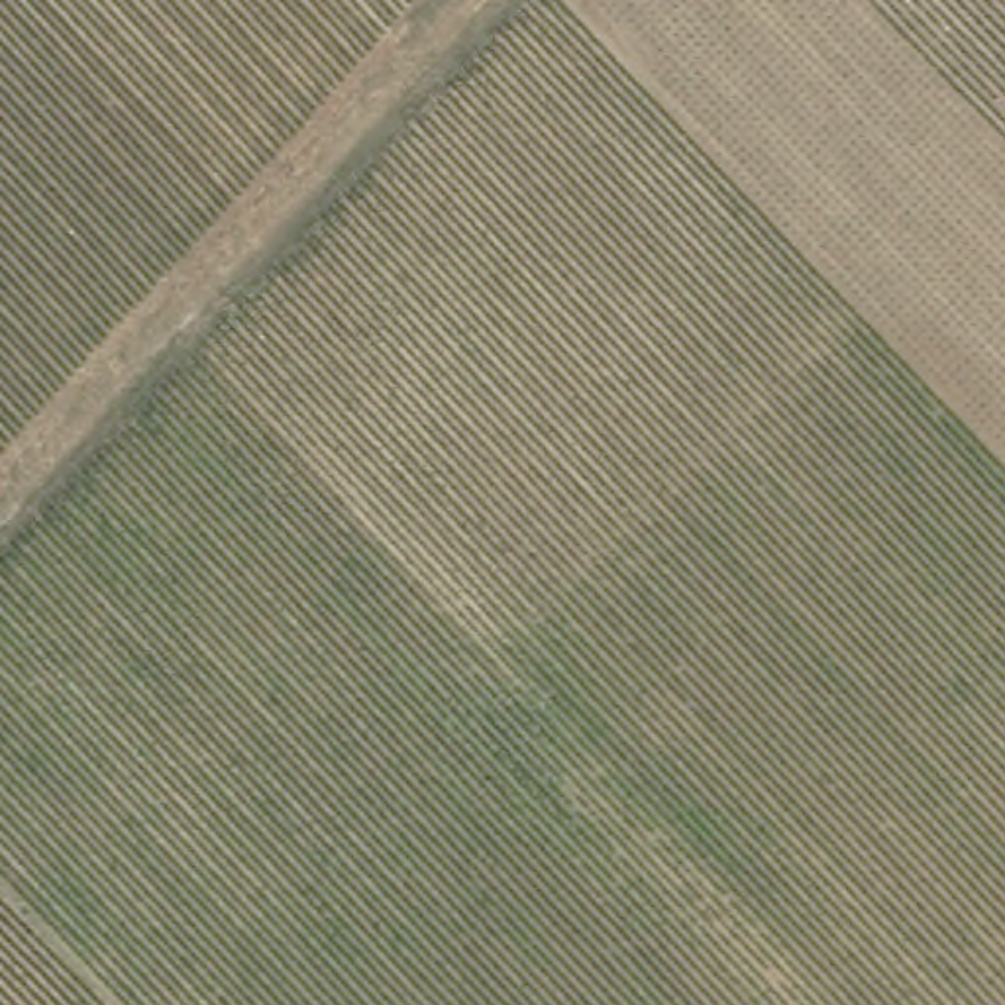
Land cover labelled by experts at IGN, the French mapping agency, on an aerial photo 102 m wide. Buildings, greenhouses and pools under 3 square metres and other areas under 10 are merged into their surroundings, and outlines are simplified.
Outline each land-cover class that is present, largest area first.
<instances>
[{"label":"vineyard","instance_id":"1","mask_svg":"<svg viewBox=\"0 0 1005 1005\"><path fill-rule=\"evenodd\" d=\"M412 0H0V451L63 389V381L86 361V353L110 334V326L122 322L130 306H137L153 291V283L177 259L188 255V247L224 216V208L275 161V153L314 118L330 90L353 71V63L365 51H373L377 35L408 12ZM377 185L345 208L342 224H330L326 236H318L322 251L298 271L294 283L275 279V287L251 306V322L232 330L228 342L208 345L204 365L181 373L157 353L149 369L122 393V400H114L102 412L94 432L43 479L39 491L27 495L16 526L0 530V1005H1005V0H538L526 24L499 39L495 63L471 75L467 86L451 90V98L436 106L412 130V137L389 153L385 169L373 177Z\"/></svg>","mask_w":1005,"mask_h":1005},{"label":"herbaceous vegetation","instance_id":"2","mask_svg":"<svg viewBox=\"0 0 1005 1005\"><path fill-rule=\"evenodd\" d=\"M538 0H412L408 12L377 35L373 51H365L353 63V71L330 90L314 118L275 153V161L224 208V216L188 247V255L177 259L153 283V291L137 306H130L122 322L110 326V334L86 353V361L63 381V389L0 451V530L16 526L27 495L39 491L43 479L94 432L102 412L114 400H122V393L149 369L157 353L181 373L204 365L208 345L228 342L232 330L251 322V306L275 287V279L294 283L298 271L322 251L318 236H326L330 224H342L345 208L377 185L373 177L385 169L389 153L412 137V130L436 106L451 98V90L467 86L471 75L495 63L499 39L526 24Z\"/></svg>","mask_w":1005,"mask_h":1005}]
</instances>
